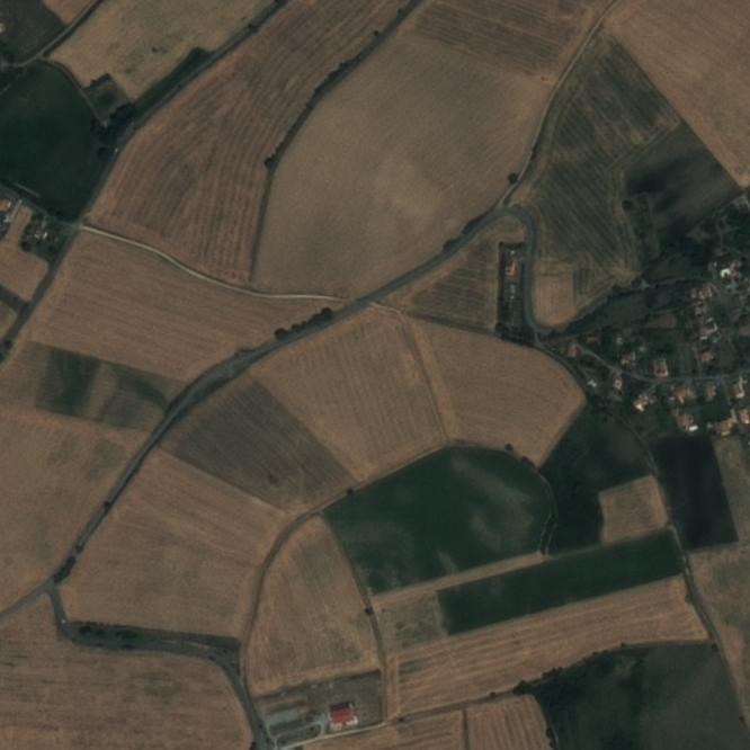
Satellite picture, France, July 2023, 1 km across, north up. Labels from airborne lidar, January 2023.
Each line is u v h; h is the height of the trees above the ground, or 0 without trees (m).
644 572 0
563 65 0
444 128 0
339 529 0
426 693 0
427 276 0
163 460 0
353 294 0
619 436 0
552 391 0
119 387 0
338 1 0
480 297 0
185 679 0
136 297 0
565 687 8
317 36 0
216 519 0
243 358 0
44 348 0
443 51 0
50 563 0
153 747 0
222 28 0
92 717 0
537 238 0
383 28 0
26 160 0
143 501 0
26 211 0
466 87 0
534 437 0
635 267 0
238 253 0
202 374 0
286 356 0
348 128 0
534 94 0
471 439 0
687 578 0
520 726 0
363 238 0
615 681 0
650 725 0
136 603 0
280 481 0
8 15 0
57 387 0
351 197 0
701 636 0
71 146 0
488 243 0
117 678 0
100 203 0
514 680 0
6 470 0
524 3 0
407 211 0
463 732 0
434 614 0
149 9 0
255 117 0
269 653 0
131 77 0
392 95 0
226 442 0
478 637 0
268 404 0
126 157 0
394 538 0
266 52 0
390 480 0
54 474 0
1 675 0
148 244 0
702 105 0
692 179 0
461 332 0
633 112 0
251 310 0
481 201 0
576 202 0
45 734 0
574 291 0
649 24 0
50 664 0
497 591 0
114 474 0
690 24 0
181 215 0
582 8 0
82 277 0
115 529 0
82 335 0
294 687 0
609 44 0
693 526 0
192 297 0
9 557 0
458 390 0
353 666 0
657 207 0
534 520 0
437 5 0
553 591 0
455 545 0
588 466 0
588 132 0
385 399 0
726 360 0
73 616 0
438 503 0
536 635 0
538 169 0
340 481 0
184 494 0
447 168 0
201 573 0
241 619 0
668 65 0
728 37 0
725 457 0
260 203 0
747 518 0
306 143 0
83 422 0
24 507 0
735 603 0
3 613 0
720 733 0
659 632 0
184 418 0
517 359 0
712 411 0
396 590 0
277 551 0
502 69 0
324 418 0
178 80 0
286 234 0
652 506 0
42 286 0
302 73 0
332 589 0
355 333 0
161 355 0
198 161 0
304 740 0
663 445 0
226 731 0
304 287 0
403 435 0
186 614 0
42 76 0
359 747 0
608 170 0
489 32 0
